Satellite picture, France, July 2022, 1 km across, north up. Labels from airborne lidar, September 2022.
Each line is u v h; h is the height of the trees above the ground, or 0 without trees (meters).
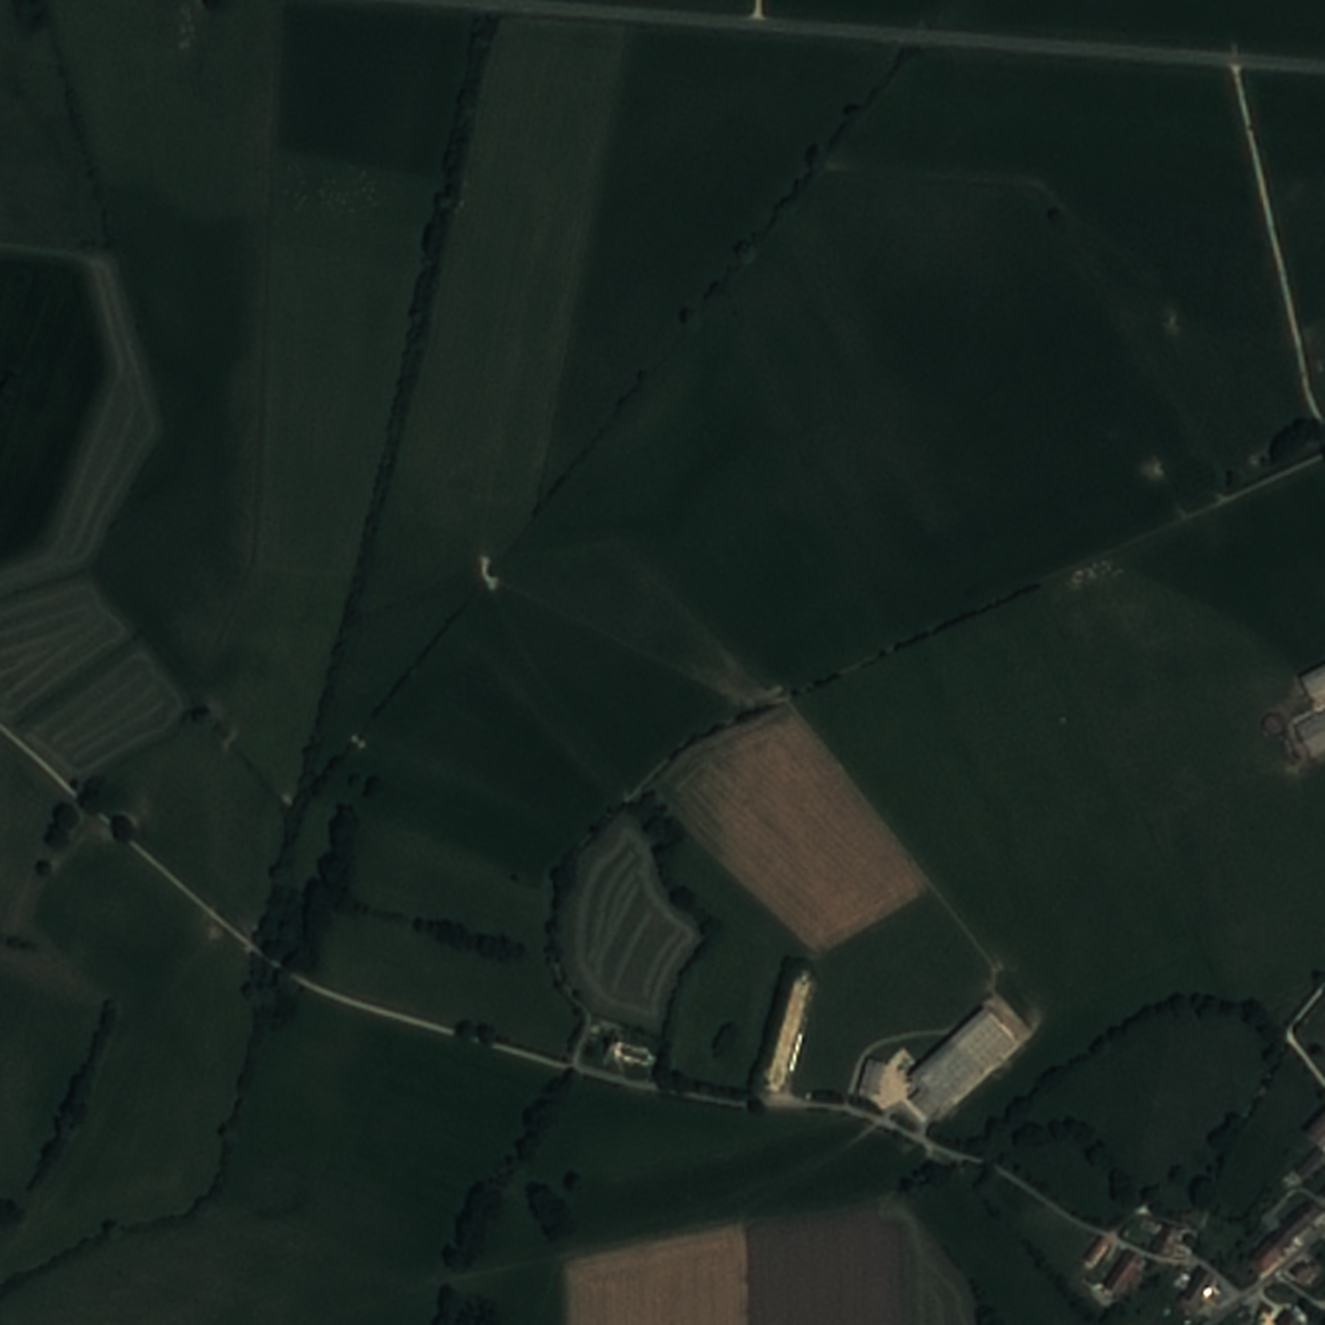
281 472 0
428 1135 0
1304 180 0
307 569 0
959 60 0
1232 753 0
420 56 0
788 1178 0
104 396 0
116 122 0
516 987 0
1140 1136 0
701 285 0
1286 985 0
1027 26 0
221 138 0
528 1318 0
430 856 0
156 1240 0
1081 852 0
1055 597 0
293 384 0
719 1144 0
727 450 0
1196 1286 0
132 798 0
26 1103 0
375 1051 0
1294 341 0
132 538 0
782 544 0
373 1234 0
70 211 0
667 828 9
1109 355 0
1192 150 0
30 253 0
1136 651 0
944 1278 0
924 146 0
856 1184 0
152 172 0
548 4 0
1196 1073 0
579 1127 0
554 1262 0
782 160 0
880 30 0
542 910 0
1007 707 0
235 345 0
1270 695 0
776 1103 0
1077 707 0
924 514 0
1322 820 0
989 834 0
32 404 0
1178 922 0
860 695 0
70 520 0
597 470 0
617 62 0
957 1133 0
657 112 0
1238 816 0
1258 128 0
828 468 0
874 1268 0
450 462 0
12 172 0
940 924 0
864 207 0
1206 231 0
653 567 0
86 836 0
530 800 0
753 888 0
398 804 0
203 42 0
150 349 0
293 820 8
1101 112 0
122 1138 0
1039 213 0
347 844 19
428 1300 0
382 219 0
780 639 0
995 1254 0
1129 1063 0
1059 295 0
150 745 0
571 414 0
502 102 0
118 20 0
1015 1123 11
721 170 0
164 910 0
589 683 0
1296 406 0
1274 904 0
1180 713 0
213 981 0
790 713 0
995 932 0
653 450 0
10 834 0
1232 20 0
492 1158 0
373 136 0
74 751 0
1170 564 0
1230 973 0
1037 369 0
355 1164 0
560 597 0
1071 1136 14
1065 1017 0
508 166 0
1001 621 0
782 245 0
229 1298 0
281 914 6
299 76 0
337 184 0
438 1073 0
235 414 0
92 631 0
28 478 0
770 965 0
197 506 0
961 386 0
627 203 0
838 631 0
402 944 0
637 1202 0
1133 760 0
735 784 0
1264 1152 0
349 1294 0
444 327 0
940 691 0
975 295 0
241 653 0
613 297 0
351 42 0
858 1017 0
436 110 0
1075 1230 0
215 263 0
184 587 0
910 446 0
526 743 0
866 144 0
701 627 0
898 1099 0
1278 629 0
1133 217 0
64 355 0
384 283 0
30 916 0
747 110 0
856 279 0
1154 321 0
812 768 0
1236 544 0
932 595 0
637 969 0
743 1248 0
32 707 0
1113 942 0
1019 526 0
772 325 0
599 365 0
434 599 0
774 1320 0
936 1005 0
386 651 0
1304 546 0
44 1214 0
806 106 0
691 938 0
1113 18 0
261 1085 0
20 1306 0
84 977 0
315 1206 0
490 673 0
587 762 0
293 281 0
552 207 0
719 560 0
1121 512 0
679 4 0
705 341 0
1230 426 0
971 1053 0
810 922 0
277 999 7
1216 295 0
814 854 0
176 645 0
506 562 0
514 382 0
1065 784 0
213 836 0
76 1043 0
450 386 0
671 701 0
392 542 0
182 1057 0
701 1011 0
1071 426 0
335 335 0
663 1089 14
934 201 0
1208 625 0
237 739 0
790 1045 0
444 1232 0
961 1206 0
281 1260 0
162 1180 0
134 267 0
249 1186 0
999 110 0
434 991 0
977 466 0
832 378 0
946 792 0
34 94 0
